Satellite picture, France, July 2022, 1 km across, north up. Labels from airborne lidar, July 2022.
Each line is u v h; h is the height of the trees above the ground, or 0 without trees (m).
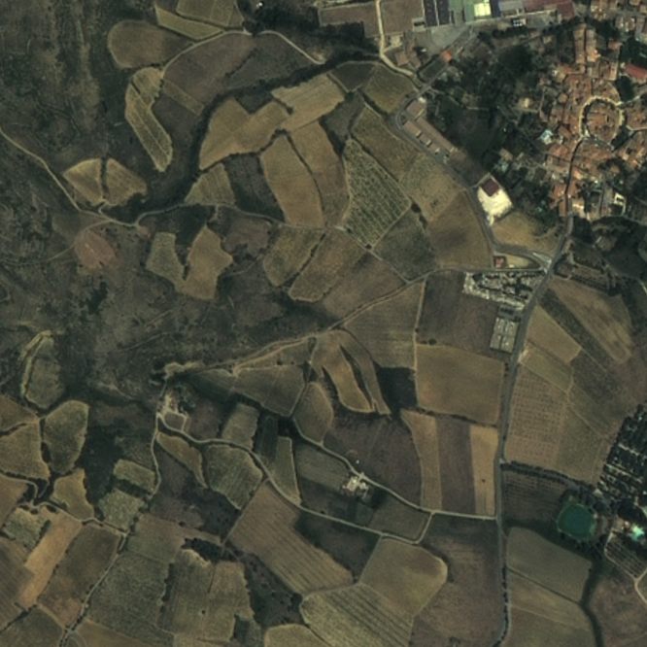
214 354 0
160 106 0
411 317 0
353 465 0
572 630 0
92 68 0
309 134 0
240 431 0
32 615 0
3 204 0
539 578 0
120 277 0
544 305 0
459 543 0
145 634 0
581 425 0
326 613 0
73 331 0
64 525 0
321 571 0
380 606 0
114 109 0
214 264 0
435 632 0
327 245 0
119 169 0
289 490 0
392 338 0
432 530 0
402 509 0
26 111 0
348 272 0
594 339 0
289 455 0
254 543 0
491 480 0
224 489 0
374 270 0
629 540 13
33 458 0
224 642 0
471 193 0
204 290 0
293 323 0
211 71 0
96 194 0
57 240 0
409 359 0
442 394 0
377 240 0
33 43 0
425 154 0
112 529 0
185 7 0
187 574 0
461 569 0
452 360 0
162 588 0
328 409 0
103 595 0
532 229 0
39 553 0
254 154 7
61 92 0
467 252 0
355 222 0
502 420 0
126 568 0
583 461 0
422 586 0
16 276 0
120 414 0
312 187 0
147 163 0
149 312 0
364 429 0
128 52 0
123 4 0
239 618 7
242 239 0
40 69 0
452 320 0
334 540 0
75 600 0
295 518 0
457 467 0
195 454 0
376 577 0
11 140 0
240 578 0
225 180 0
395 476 0
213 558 15
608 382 0
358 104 0
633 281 6
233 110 0
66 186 0
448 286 0
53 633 0
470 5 0
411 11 0
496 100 12
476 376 0
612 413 0
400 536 0
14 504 0
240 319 0
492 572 0
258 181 0
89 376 0
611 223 6
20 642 0
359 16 0
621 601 0
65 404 0
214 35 0
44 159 0
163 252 0
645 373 0
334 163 0
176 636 0
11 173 0
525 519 0
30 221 0
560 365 0
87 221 0
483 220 0
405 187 0
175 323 0
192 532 0
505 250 0
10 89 0
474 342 0
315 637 0
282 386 0
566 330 0
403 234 0
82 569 0
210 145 0
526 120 13
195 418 0
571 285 0
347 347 0
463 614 0
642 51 10
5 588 0
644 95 16
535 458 0
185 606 0
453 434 0
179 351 0
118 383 0
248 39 0
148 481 0
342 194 0
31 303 0
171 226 0
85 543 0
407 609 0
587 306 0
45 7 0
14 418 0
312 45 0
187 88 0
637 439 13
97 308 0
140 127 0
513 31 17
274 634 0
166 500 0
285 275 0
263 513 0
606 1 0
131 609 0
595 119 0
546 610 0
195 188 0
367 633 0
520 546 0
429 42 0
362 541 0
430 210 0
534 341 0
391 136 0
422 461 0
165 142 0
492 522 0
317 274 0
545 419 0
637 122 0
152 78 0
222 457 0
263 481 0
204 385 0
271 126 0
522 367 0
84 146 0
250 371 0
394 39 0
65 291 0
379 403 0
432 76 0
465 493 0
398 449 0
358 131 0
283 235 0
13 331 0
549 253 0
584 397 0
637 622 0
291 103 0
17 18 0
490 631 0
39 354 0
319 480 0
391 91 0
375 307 0
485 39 18
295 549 0
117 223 0
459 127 0
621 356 0
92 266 0
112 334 0
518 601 0
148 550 0
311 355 0
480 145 0
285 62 0
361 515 0
